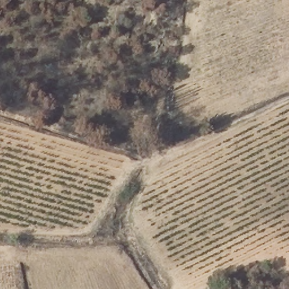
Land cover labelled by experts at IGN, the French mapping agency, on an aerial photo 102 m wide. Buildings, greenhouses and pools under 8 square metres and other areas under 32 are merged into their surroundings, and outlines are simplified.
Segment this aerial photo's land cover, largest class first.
<instances>
[{"label":"vineyard","instance_id":"1","mask_svg":"<svg viewBox=\"0 0 289 289\"><path fill-rule=\"evenodd\" d=\"M185 25L191 30L183 36V45H194V51L179 58L177 80L174 84L176 105L186 116H190L198 123L208 117L214 133L179 142L176 146L163 151L155 150L150 158L143 159L138 156V160H132L124 155L53 137L24 126L0 122V233H25L35 237L82 235L97 229L106 213L113 218L117 195L123 191L124 185L129 183L132 170L142 168L141 191L126 205L124 225L129 229V247L132 253L138 251L148 254L157 269L159 266L163 268L173 281L172 289H209L208 279L213 272L225 270L231 265H247L255 261L283 257L286 260L284 270L289 271V96L239 119L235 113L289 91V0H187ZM0 251V289H17L18 274L15 269L19 264L14 257L7 261Z\"/></svg>","mask_w":289,"mask_h":289},{"label":"coniferous trees","instance_id":"2","mask_svg":"<svg viewBox=\"0 0 289 289\"><path fill-rule=\"evenodd\" d=\"M187 0H0V122L24 126L53 137L124 155L132 160H138V156L143 159L150 158L155 150L163 151L176 146L179 142L214 133L208 117L198 123L190 116H186L176 105L174 84L177 80L179 58L194 51V45H183V36L191 30L185 25ZM286 260L283 257L255 261L247 265H231L225 270L213 272L208 279L209 289H289V271L284 270Z\"/></svg>","mask_w":289,"mask_h":289},{"label":"agricultural land","instance_id":"3","mask_svg":"<svg viewBox=\"0 0 289 289\"><path fill-rule=\"evenodd\" d=\"M29 289H148L135 270L130 257L124 252L120 254L119 246L34 248L25 263Z\"/></svg>","mask_w":289,"mask_h":289},{"label":"brushwood","instance_id":"4","mask_svg":"<svg viewBox=\"0 0 289 289\"><path fill-rule=\"evenodd\" d=\"M289 96V91L235 113L239 119ZM142 168L132 170L129 183L124 185L123 191L117 195L113 218L106 213L97 229L82 235L35 237L34 243L29 245L34 248L119 246L120 254L124 252L130 257L135 270L148 289H172L173 281L163 268L159 266L157 269L148 254L138 251L132 253L129 247V229L124 225L126 205L141 191Z\"/></svg>","mask_w":289,"mask_h":289},{"label":"herbaceous vegetation","instance_id":"5","mask_svg":"<svg viewBox=\"0 0 289 289\"><path fill-rule=\"evenodd\" d=\"M35 237L25 233H0V251L7 261L14 257L19 264L15 269L18 274L17 289H29L25 263L34 248L29 245L34 243Z\"/></svg>","mask_w":289,"mask_h":289}]
</instances>
